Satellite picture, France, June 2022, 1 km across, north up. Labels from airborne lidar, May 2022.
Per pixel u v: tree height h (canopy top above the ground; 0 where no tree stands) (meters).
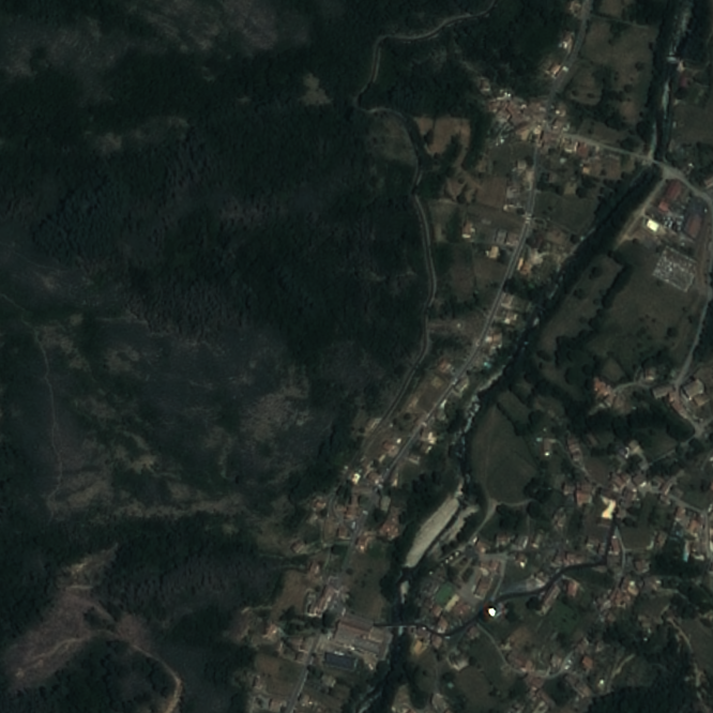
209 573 15
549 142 0
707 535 0
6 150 10
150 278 9
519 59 16
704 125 0
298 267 21
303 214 6
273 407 0
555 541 0
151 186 17
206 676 5
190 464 0
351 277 18
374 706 15
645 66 8
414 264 0
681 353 0
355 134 13
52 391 0
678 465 8
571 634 0
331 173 7
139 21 9
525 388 0
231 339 0
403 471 0
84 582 0
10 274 0
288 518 9
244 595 9
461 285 0
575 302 0
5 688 15
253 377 0
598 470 0
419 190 23
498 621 0
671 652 10
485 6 10
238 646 9
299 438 0
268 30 0
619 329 0
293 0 10
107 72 7
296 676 0
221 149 18
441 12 11
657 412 10
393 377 7
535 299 22
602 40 0
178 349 0
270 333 0
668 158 7
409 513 7
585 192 14
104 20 12
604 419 23
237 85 10
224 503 0
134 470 9
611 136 0
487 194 0
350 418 10
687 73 0
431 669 0
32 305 0
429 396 0
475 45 12
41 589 9
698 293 0
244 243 22
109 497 0
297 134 23
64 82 14
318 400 7
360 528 0
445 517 0
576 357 12
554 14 10
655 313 0
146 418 6
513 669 0
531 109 0
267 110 27
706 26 18
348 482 10
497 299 0
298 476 11
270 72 15
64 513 0
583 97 0
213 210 9
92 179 19
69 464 0
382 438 0
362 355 7
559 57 0
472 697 0
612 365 0
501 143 0
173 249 12
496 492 0
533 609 13
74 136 10
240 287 19
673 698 6
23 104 19
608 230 12
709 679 7
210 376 0
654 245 0
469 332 0
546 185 8
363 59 21
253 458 0
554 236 0
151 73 16
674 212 0
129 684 0
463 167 9
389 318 11
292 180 12
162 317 7
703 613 7
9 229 0
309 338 8
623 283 19
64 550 14
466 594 0
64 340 0
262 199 13
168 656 0
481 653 0
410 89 25
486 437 0
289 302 7
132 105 13
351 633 0
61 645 0
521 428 14
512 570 0
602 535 0
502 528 10
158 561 17
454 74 15
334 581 0
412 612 13
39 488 0
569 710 0
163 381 0
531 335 15
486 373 10
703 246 0
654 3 8
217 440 0
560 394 15
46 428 0
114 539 9
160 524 16
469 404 0
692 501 0
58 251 18
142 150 7
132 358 0
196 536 14
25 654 0
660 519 8
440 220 0
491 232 0
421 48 11
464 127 0
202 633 10
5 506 6
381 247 21
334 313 12
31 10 14
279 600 0
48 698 31
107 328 0
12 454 9
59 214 10
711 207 0
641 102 0
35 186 12
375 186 11
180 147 10
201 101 13
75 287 0
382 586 9
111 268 12
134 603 7
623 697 16
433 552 0
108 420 9
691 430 6
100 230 34
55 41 0
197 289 15
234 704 16
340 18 9
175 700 0
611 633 9
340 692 0
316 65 15
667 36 17
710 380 0
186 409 0
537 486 13
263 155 20
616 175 0
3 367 9
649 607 0
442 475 18
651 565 7
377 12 19
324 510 7
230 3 0
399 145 0
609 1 0
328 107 15
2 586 13
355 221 8
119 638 0
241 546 15
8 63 0
